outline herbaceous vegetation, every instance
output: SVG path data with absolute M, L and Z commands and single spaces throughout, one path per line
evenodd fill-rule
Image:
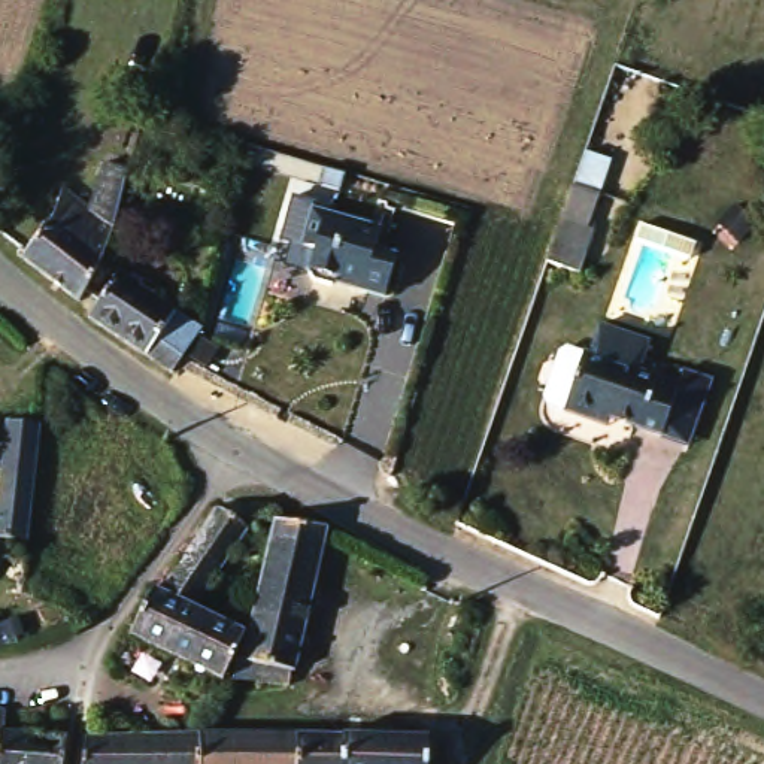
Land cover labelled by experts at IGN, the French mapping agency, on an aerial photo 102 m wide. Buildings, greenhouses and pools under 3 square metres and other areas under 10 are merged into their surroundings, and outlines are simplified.
M 630 713 L 636 722 L 674 725 L 689 740 L 698 731 L 716 725 L 728 725 L 737 734 L 749 731 L 764 740 L 764 713 L 749 713 L 692 683 L 657 671 L 627 654 L 618 654 L 594 639 L 585 639 L 567 627 L 534 621 L 522 621 L 516 627 L 498 683 L 483 713 L 483 719 L 489 722 L 513 722 L 516 698 L 525 692 L 525 674 L 552 671 L 558 680 L 576 686 L 582 701 Z
M 200 260 L 203 248 L 203 197 L 194 194 L 188 200 L 140 200 L 131 185 L 125 185 L 119 200 L 122 209 L 131 209 L 161 224 L 167 248 L 176 257 L 185 263 Z
M 158 663 L 152 677 L 140 677 L 134 671 L 137 657 L 122 657 L 131 666 L 131 671 L 122 680 L 113 680 L 104 671 L 98 677 L 96 701 L 128 698 L 134 710 L 152 710 L 155 716 L 179 716 L 185 713 L 185 707 L 179 686 L 170 677 L 176 677 L 179 671 L 194 671 L 191 660 L 173 657 L 170 651 L 152 642 L 146 654 Z
M 469 692 L 460 683 L 451 686 L 451 666 L 445 663 L 445 654 L 454 645 L 460 606 L 469 603 L 475 591 L 445 588 L 442 579 L 430 588 L 424 585 L 418 585 L 412 576 L 382 576 L 373 567 L 358 567 L 349 561 L 343 579 L 346 603 L 382 603 L 391 609 L 412 606 L 415 615 L 406 618 L 400 627 L 391 627 L 376 651 L 379 674 L 391 686 L 406 686 L 415 698 L 430 698 L 439 713 L 451 716 L 469 716 Z
M 654 224 L 689 236 L 695 242 L 695 272 L 680 301 L 677 322 L 669 325 L 666 331 L 671 334 L 671 358 L 713 361 L 734 370 L 713 433 L 704 442 L 686 445 L 686 451 L 674 460 L 669 478 L 660 486 L 657 504 L 648 519 L 645 546 L 663 546 L 663 555 L 671 564 L 666 570 L 666 606 L 660 612 L 660 627 L 666 633 L 743 671 L 764 677 L 764 657 L 743 663 L 731 645 L 722 642 L 719 630 L 701 633 L 701 624 L 707 615 L 737 609 L 743 600 L 764 594 L 764 251 L 749 242 L 746 203 L 764 203 L 764 167 L 758 170 L 743 161 L 743 140 L 734 119 L 740 119 L 749 107 L 764 110 L 764 0 L 525 0 L 558 15 L 585 18 L 594 27 L 594 42 L 585 51 L 567 113 L 558 122 L 546 170 L 537 179 L 537 197 L 531 212 L 522 218 L 516 209 L 498 203 L 469 200 L 424 182 L 400 179 L 367 167 L 361 179 L 388 188 L 388 197 L 403 194 L 442 206 L 445 215 L 457 221 L 457 239 L 460 251 L 436 298 L 433 340 L 424 352 L 418 352 L 415 376 L 406 388 L 403 418 L 391 421 L 394 442 L 382 448 L 382 460 L 394 460 L 397 478 L 400 475 L 406 483 L 421 486 L 430 475 L 436 475 L 436 486 L 451 495 L 451 501 L 460 507 L 460 516 L 469 504 L 480 504 L 483 510 L 489 510 L 495 525 L 489 534 L 546 561 L 555 561 L 567 552 L 558 534 L 573 534 L 576 528 L 591 540 L 606 540 L 609 546 L 618 534 L 615 519 L 627 478 L 612 475 L 612 469 L 603 463 L 591 466 L 591 448 L 588 442 L 567 436 L 561 427 L 540 421 L 543 364 L 561 346 L 579 346 L 591 334 L 597 334 L 597 328 L 609 316 L 609 304 L 627 254 L 618 245 L 606 242 L 603 263 L 594 269 L 582 269 L 558 269 L 537 292 L 534 310 L 528 316 L 516 352 L 516 364 L 510 370 L 498 415 L 489 430 L 480 469 L 478 475 L 469 475 L 472 454 L 486 421 L 486 409 L 504 355 L 510 349 L 534 272 L 543 260 L 546 236 L 561 224 L 558 212 L 570 191 L 570 182 L 576 179 L 579 161 L 585 152 L 591 152 L 591 134 L 600 104 L 621 63 L 627 27 L 630 21 L 642 21 L 654 30 L 654 39 L 648 48 L 633 51 L 630 66 L 660 81 L 669 81 L 671 72 L 701 78 L 704 87 L 698 101 L 698 110 L 713 119 L 710 131 L 683 137 L 677 146 L 671 146 L 671 155 L 666 161 L 645 161 L 648 176 L 639 185 L 651 194 L 651 203 L 639 215 L 639 224 Z M 522 439 L 522 448 L 531 451 L 534 466 L 495 466 L 498 439 Z
M 319 304 L 316 292 L 295 295 L 289 301 L 281 301 L 278 295 L 263 295 L 260 301 L 269 313 L 263 328 L 269 334 L 269 343 L 245 349 L 248 361 L 242 379 L 254 379 L 263 391 L 278 394 L 289 406 L 316 412 L 331 427 L 355 430 L 364 370 L 373 367 L 379 337 L 388 334 L 382 322 L 370 325 L 370 319 L 352 313 L 349 307 Z
M 48 603 L 24 591 L 24 564 L 12 564 L 0 579 L 0 642 L 24 639 L 39 633 L 39 627 L 51 627 L 54 612 Z
M 218 316 L 227 295 L 233 292 L 230 281 L 245 269 L 242 239 L 254 239 L 263 248 L 269 245 L 287 191 L 287 176 L 281 176 L 272 167 L 272 158 L 289 155 L 298 161 L 340 170 L 346 158 L 272 140 L 263 125 L 236 122 L 227 116 L 227 93 L 236 87 L 242 63 L 239 54 L 218 48 L 215 42 L 218 0 L 197 0 L 194 21 L 197 36 L 203 42 L 179 42 L 173 36 L 173 24 L 182 0 L 63 0 L 60 27 L 51 30 L 57 60 L 51 69 L 39 75 L 45 101 L 36 104 L 36 119 L 21 140 L 36 152 L 33 215 L 9 233 L 0 230 L 0 254 L 30 284 L 48 292 L 51 301 L 63 304 L 78 316 L 87 310 L 87 298 L 93 292 L 84 287 L 81 298 L 72 298 L 54 289 L 15 251 L 36 233 L 39 221 L 48 215 L 57 188 L 81 191 L 84 185 L 90 185 L 96 182 L 101 164 L 110 164 L 116 155 L 125 155 L 134 155 L 137 134 L 125 134 L 125 128 L 107 125 L 98 128 L 98 93 L 90 84 L 104 72 L 116 72 L 122 78 L 128 69 L 137 69 L 140 75 L 146 75 L 143 93 L 158 98 L 164 110 L 188 113 L 197 128 L 197 137 L 206 137 L 209 131 L 233 134 L 239 140 L 239 155 L 248 161 L 248 167 L 242 170 L 242 191 L 230 200 L 233 218 L 221 242 L 221 251 L 218 275 L 209 292 L 209 307 L 206 316 L 197 322 L 206 334 L 218 334 Z
M 281 689 L 278 683 L 257 680 L 230 680 L 224 686 L 227 698 L 212 722 L 215 728 L 292 731 L 304 716 L 328 716 L 319 704 L 322 695 L 331 692 L 331 686 L 337 683 L 331 654 L 310 666 L 307 680 L 292 680 L 287 689 Z
M 51 352 L 39 343 L 36 328 L 12 307 L 0 304 L 0 409 L 36 394 L 36 370 L 42 361 L 51 358 Z
M 98 603 L 119 606 L 131 594 L 137 576 L 146 573 L 164 552 L 179 522 L 191 513 L 191 507 L 182 504 L 185 472 L 173 448 L 167 445 L 173 433 L 161 427 L 155 418 L 149 418 L 134 397 L 113 391 L 101 370 L 75 364 L 66 376 L 66 412 L 75 421 L 75 430 L 69 439 L 57 445 L 57 537 L 63 543 L 81 546 L 81 552 L 87 555 L 81 588 Z

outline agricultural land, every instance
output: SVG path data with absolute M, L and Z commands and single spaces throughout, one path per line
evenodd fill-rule
M 12 81 L 24 66 L 33 33 L 42 24 L 45 0 L 0 0 L 0 78 L 6 81 Z
M 764 764 L 764 740 L 749 731 L 737 734 L 728 725 L 716 725 L 698 731 L 689 740 L 674 725 L 636 722 L 630 713 L 582 701 L 576 686 L 558 680 L 552 671 L 525 674 L 525 692 L 516 698 L 513 722 L 513 731 L 504 737 L 507 758 L 513 764 Z
M 498 203 L 516 209 L 522 218 L 531 212 L 537 197 L 537 179 L 546 170 L 558 122 L 567 113 L 585 51 L 594 42 L 594 27 L 585 18 L 558 15 L 525 0 L 218 0 L 215 42 L 218 48 L 239 54 L 242 63 L 236 87 L 227 93 L 227 116 L 236 122 L 263 125 L 272 140 L 346 158 L 364 161 L 367 167 L 400 179 L 424 182 L 469 200 Z

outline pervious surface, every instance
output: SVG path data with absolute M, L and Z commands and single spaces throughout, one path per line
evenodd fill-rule
M 519 606 L 516 600 L 504 600 L 495 609 L 480 671 L 469 692 L 469 716 L 451 716 L 439 713 L 430 698 L 415 698 L 406 686 L 391 686 L 379 674 L 376 651 L 391 627 L 400 627 L 406 618 L 415 615 L 412 606 L 391 609 L 382 603 L 346 603 L 337 612 L 331 654 L 337 683 L 331 686 L 331 692 L 322 695 L 319 704 L 328 716 L 340 713 L 349 722 L 385 716 L 394 731 L 427 728 L 430 764 L 513 764 L 507 758 L 504 737 L 513 731 L 513 722 L 489 722 L 483 719 L 483 713 L 498 683 L 516 627 L 522 621 L 534 621 L 534 612 L 528 606 Z
M 72 701 L 96 701 L 98 677 L 93 671 L 75 671 L 75 677 L 66 683 Z
M 624 206 L 636 197 L 639 185 L 648 176 L 645 161 L 645 155 L 636 146 L 633 128 L 651 113 L 657 93 L 660 81 L 630 66 L 621 63 L 600 104 L 591 134 L 591 152 L 609 158 L 600 194 L 609 200 L 621 200 Z

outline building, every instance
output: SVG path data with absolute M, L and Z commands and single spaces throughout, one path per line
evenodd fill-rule
M 134 710 L 128 698 L 96 701 L 72 701 L 51 698 L 48 704 L 24 707 L 15 698 L 9 704 L 0 704 L 0 764 L 430 764 L 427 728 L 394 731 L 385 716 L 349 722 L 340 713 L 328 716 L 304 716 L 292 731 L 215 728 L 212 722 L 200 728 L 185 728 L 185 719 L 179 716 L 155 716 L 152 710 Z
M 93 292 L 87 298 L 87 310 L 78 316 L 93 334 L 98 334 L 125 358 L 149 370 L 149 376 L 155 376 L 167 388 L 173 388 L 173 376 L 185 373 L 191 364 L 215 364 L 224 361 L 233 349 L 245 349 L 269 343 L 269 334 L 263 328 L 245 325 L 242 331 L 218 334 L 206 334 L 197 322 L 191 322 L 191 307 L 179 304 L 179 292 L 167 269 L 122 260 L 110 248 L 110 230 L 101 227 L 90 212 L 90 185 L 84 185 L 81 191 L 57 188 L 48 215 L 39 221 L 36 233 L 15 251 L 54 289 L 72 298 L 81 298 L 84 287 Z
M 558 269 L 582 269 L 591 242 L 591 215 L 600 194 L 609 158 L 591 152 L 585 152 L 579 161 L 576 179 L 570 182 L 570 191 L 558 212 L 561 224 L 546 236 L 543 260 L 546 266 Z
M 281 176 L 287 176 L 287 191 L 269 245 L 272 251 L 278 251 L 275 263 L 295 278 L 316 269 L 331 269 L 334 281 L 343 284 L 403 292 L 436 272 L 448 239 L 457 239 L 457 221 L 445 215 L 442 206 L 403 194 L 388 197 L 388 188 L 361 179 L 367 167 L 364 161 L 346 158 L 340 170 L 298 161 L 289 155 L 272 158 L 272 167 Z
M 194 671 L 221 677 L 224 686 L 230 680 L 257 680 L 278 683 L 281 689 L 287 689 L 292 680 L 307 680 L 310 666 L 331 654 L 337 612 L 346 603 L 343 579 L 349 561 L 340 549 L 331 546 L 334 534 L 328 522 L 319 519 L 301 522 L 298 516 L 272 516 L 269 522 L 251 612 L 239 612 L 236 606 L 230 612 L 218 612 L 188 597 L 185 585 L 194 573 L 188 567 L 179 567 L 170 579 L 152 582 L 146 594 L 149 606 L 140 612 L 137 627 L 131 633 L 137 639 L 152 642 L 170 651 L 173 657 L 191 660 Z
M 152 677 L 158 663 L 146 654 L 137 657 L 134 671 L 140 677 Z
M 45 552 L 57 537 L 57 445 L 51 427 L 39 415 L 24 415 L 21 421 L 0 415 L 0 579 L 12 564 L 3 537 L 15 537 L 24 546 L 24 552 Z
M 713 433 L 734 370 L 713 361 L 671 358 L 671 334 L 666 331 L 669 325 L 645 322 L 642 316 L 633 316 L 609 316 L 597 328 L 597 334 L 591 334 L 579 346 L 582 361 L 567 397 L 567 409 L 597 421 L 627 418 L 633 424 L 645 424 L 686 445 L 704 442 Z

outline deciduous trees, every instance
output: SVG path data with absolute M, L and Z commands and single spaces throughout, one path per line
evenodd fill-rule
M 764 167 L 764 110 L 749 107 L 740 119 L 734 119 L 743 140 L 743 161 L 758 170 Z
M 3 96 L 6 81 L 0 78 L 0 230 L 9 233 L 33 215 L 36 152 L 21 140 L 36 119 L 36 104 L 12 104 Z
M 197 128 L 188 113 L 164 110 L 158 98 L 143 93 L 146 75 L 140 75 L 137 69 L 128 69 L 122 78 L 116 72 L 104 72 L 90 84 L 98 93 L 98 128 L 107 125 L 125 128 L 125 134 L 137 134 L 134 155 L 125 155 L 125 170 L 164 173 L 170 185 L 200 182 L 203 197 L 203 248 L 215 245 L 221 251 L 221 242 L 233 218 L 230 200 L 242 191 L 242 170 L 248 167 L 248 161 L 239 155 L 239 140 L 233 134 L 209 131 L 206 137 L 197 137 Z
M 657 93 L 651 113 L 633 128 L 636 146 L 645 155 L 645 161 L 666 161 L 671 155 L 671 146 L 677 146 L 683 137 L 710 131 L 713 119 L 698 110 L 698 101 L 692 96 L 680 96 L 677 104 L 671 104 Z
M 749 242 L 764 251 L 764 203 L 746 203 Z
M 161 224 L 131 209 L 122 209 L 110 230 L 110 248 L 122 260 L 167 269 L 176 257 L 167 248 Z

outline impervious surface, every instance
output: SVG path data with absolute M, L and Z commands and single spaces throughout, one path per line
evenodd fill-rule
M 528 316 L 534 310 L 537 292 L 558 269 L 546 266 L 543 260 L 534 272 L 510 349 L 504 355 L 486 409 L 486 421 L 472 454 L 469 475 L 478 475 L 480 469 L 489 430 L 498 415 L 510 370 L 516 364 L 516 352 Z
M 609 215 L 618 218 L 624 206 L 621 200 L 609 200 L 600 194 L 591 215 L 591 242 L 582 269 L 594 269 L 603 263 L 606 242 Z
M 188 281 L 200 278 L 200 260 L 185 263 L 176 257 L 167 269 L 179 292 L 188 289 Z
M 116 155 L 110 164 L 101 164 L 96 182 L 90 185 L 90 212 L 101 227 L 110 230 L 122 209 L 119 200 L 125 185 L 125 170 L 125 155 Z
M 248 322 L 239 316 L 218 316 L 218 334 L 242 331 L 245 325 L 263 328 L 269 313 L 260 301 Z
M 639 224 L 627 254 L 609 304 L 609 316 L 633 316 L 627 310 L 627 289 L 642 251 L 654 251 L 666 257 L 666 263 L 671 266 L 671 272 L 660 278 L 663 289 L 642 316 L 645 322 L 669 325 L 677 322 L 680 301 L 695 272 L 695 242 L 689 236 L 654 224 Z
M 93 671 L 98 677 L 104 671 L 104 657 L 119 627 L 131 633 L 137 627 L 140 612 L 149 606 L 146 594 L 152 582 L 170 579 L 179 567 L 188 567 L 194 573 L 206 546 L 233 519 L 233 513 L 248 516 L 254 522 L 254 513 L 260 513 L 269 522 L 272 516 L 298 516 L 301 522 L 319 519 L 328 522 L 334 534 L 352 534 L 367 546 L 421 570 L 424 585 L 430 588 L 442 579 L 445 588 L 475 591 L 492 594 L 495 609 L 504 600 L 516 600 L 519 606 L 528 606 L 534 612 L 534 621 L 567 627 L 585 639 L 594 639 L 618 654 L 627 654 L 657 671 L 692 683 L 749 713 L 764 713 L 764 677 L 743 671 L 666 633 L 660 627 L 660 612 L 633 600 L 633 570 L 645 546 L 648 519 L 657 504 L 660 486 L 669 478 L 674 460 L 686 451 L 686 445 L 645 424 L 633 424 L 627 418 L 597 421 L 567 409 L 567 397 L 582 361 L 579 346 L 561 346 L 543 364 L 540 421 L 561 427 L 567 436 L 588 442 L 591 448 L 612 448 L 624 439 L 642 439 L 636 466 L 627 478 L 615 519 L 618 534 L 609 546 L 609 555 L 603 555 L 600 564 L 603 573 L 597 579 L 570 573 L 555 561 L 546 561 L 489 534 L 463 519 L 454 522 L 451 534 L 442 534 L 412 519 L 406 510 L 394 504 L 397 478 L 394 460 L 382 460 L 382 448 L 394 442 L 391 421 L 403 418 L 406 388 L 415 376 L 418 352 L 424 352 L 433 340 L 436 298 L 460 251 L 457 239 L 448 239 L 436 272 L 403 292 L 343 284 L 334 281 L 331 269 L 316 269 L 295 278 L 275 263 L 278 251 L 272 251 L 269 245 L 263 248 L 254 239 L 242 239 L 245 269 L 251 275 L 266 278 L 263 295 L 278 295 L 281 301 L 289 301 L 295 295 L 316 292 L 319 304 L 349 307 L 352 313 L 370 319 L 370 325 L 382 322 L 388 334 L 379 337 L 373 367 L 364 370 L 355 430 L 331 427 L 316 412 L 289 406 L 278 394 L 263 391 L 254 379 L 242 379 L 248 361 L 245 349 L 233 349 L 224 361 L 215 364 L 191 364 L 185 373 L 173 376 L 173 388 L 167 388 L 155 376 L 149 376 L 149 370 L 125 358 L 98 334 L 93 334 L 78 316 L 63 304 L 51 301 L 48 292 L 30 284 L 0 254 L 0 304 L 12 307 L 36 328 L 39 343 L 51 352 L 51 358 L 75 364 L 101 370 L 113 391 L 134 397 L 149 418 L 155 418 L 161 427 L 173 433 L 182 442 L 188 442 L 197 466 L 206 472 L 206 492 L 191 507 L 191 513 L 179 522 L 164 552 L 146 573 L 137 576 L 131 594 L 119 606 L 116 615 L 104 618 L 87 636 L 63 648 L 0 660 L 0 704 L 9 704 L 15 698 L 24 707 L 48 704 L 51 698 L 72 701 L 66 683 L 75 677 L 75 671 Z

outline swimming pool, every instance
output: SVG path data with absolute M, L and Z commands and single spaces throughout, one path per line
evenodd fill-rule
M 663 289 L 660 278 L 671 272 L 671 266 L 666 263 L 666 257 L 654 251 L 642 251 L 627 289 L 627 310 L 633 316 L 642 316 Z
M 230 281 L 233 292 L 227 295 L 218 316 L 239 316 L 248 322 L 260 301 L 263 295 L 266 278 L 251 275 L 245 269 Z

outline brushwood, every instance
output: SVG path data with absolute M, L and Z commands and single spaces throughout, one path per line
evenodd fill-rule
M 469 603 L 460 606 L 454 645 L 445 654 L 445 663 L 451 666 L 451 686 L 460 683 L 469 692 L 480 671 L 495 609 L 492 594 L 475 591 Z
M 677 104 L 680 96 L 692 96 L 698 101 L 704 87 L 701 78 L 671 72 L 669 81 L 660 81 L 657 93 L 671 104 Z
M 522 439 L 498 439 L 495 466 L 534 466 L 531 451 L 522 448 Z
M 185 707 L 185 713 L 179 716 L 185 719 L 185 728 L 200 728 L 212 722 L 227 698 L 224 686 L 221 677 L 194 671 L 179 671 L 176 677 L 170 677 L 179 686 Z
M 131 666 L 122 657 L 137 657 L 146 654 L 152 642 L 137 639 L 131 633 L 119 627 L 104 657 L 104 671 L 113 680 L 122 680 L 131 671 Z
M 666 570 L 671 564 L 663 555 L 663 546 L 645 546 L 633 570 L 633 600 L 660 612 L 666 606 Z
M 627 254 L 639 224 L 639 215 L 651 203 L 651 194 L 639 185 L 636 197 L 624 206 L 618 218 L 609 215 L 606 242 L 618 245 Z
M 731 645 L 743 663 L 764 657 L 764 594 L 743 600 L 737 609 L 707 615 L 701 624 L 701 633 L 719 630 L 722 642 Z
M 648 48 L 654 39 L 654 30 L 642 21 L 630 21 L 627 27 L 621 63 L 630 66 L 633 51 Z
M 63 648 L 87 636 L 104 618 L 116 615 L 119 606 L 98 603 L 81 588 L 87 555 L 81 552 L 81 546 L 63 543 L 57 537 L 45 552 L 24 552 L 24 546 L 15 537 L 3 537 L 12 564 L 24 564 L 24 591 L 48 603 L 54 612 L 51 627 L 39 627 L 39 633 L 24 639 L 0 642 L 0 660 Z
M 197 466 L 188 442 L 182 442 L 173 433 L 167 445 L 173 448 L 185 472 L 182 504 L 191 507 L 206 492 L 206 472 Z
M 567 552 L 555 561 L 570 573 L 597 579 L 603 573 L 600 564 L 603 555 L 609 555 L 609 546 L 606 540 L 591 540 L 576 528 L 573 534 L 558 534 Z
M 197 36 L 194 21 L 197 0 L 182 0 L 173 24 L 173 36 L 179 42 L 203 42 Z
M 21 421 L 24 415 L 39 415 L 51 427 L 57 445 L 69 439 L 75 430 L 75 421 L 66 412 L 66 376 L 75 364 L 51 358 L 42 361 L 36 370 L 36 394 L 0 409 L 0 415 Z
M 418 585 L 424 585 L 421 570 L 367 546 L 352 534 L 334 534 L 331 546 L 340 549 L 349 561 L 358 567 L 373 567 L 382 576 L 412 576 Z
M 24 66 L 12 81 L 6 81 L 3 96 L 12 104 L 36 104 L 45 101 L 39 75 L 51 69 L 57 60 L 51 30 L 60 27 L 63 0 L 45 0 L 42 24 L 33 33 Z
M 200 278 L 188 281 L 188 289 L 179 292 L 179 304 L 191 307 L 191 322 L 197 322 L 206 316 L 209 307 L 209 292 L 218 275 L 221 251 L 215 245 L 203 248 L 200 260 Z
M 206 546 L 194 573 L 185 585 L 188 597 L 218 612 L 230 612 L 236 606 L 239 612 L 251 612 L 269 522 L 260 513 L 254 513 L 254 522 L 248 516 L 233 513 L 233 519 Z
M 612 475 L 627 478 L 636 466 L 642 439 L 624 439 L 612 448 L 591 448 L 591 466 L 603 463 L 612 469 Z
M 125 170 L 125 185 L 131 185 L 140 200 L 188 200 L 194 194 L 203 197 L 200 182 L 170 185 L 164 173 Z
M 463 519 L 489 534 L 495 525 L 489 510 L 483 510 L 480 504 L 469 504 L 460 516 L 460 507 L 451 501 L 451 495 L 436 486 L 436 475 L 430 475 L 421 486 L 406 483 L 400 475 L 397 478 L 394 504 L 406 510 L 412 519 L 442 534 L 451 534 L 454 522 Z

